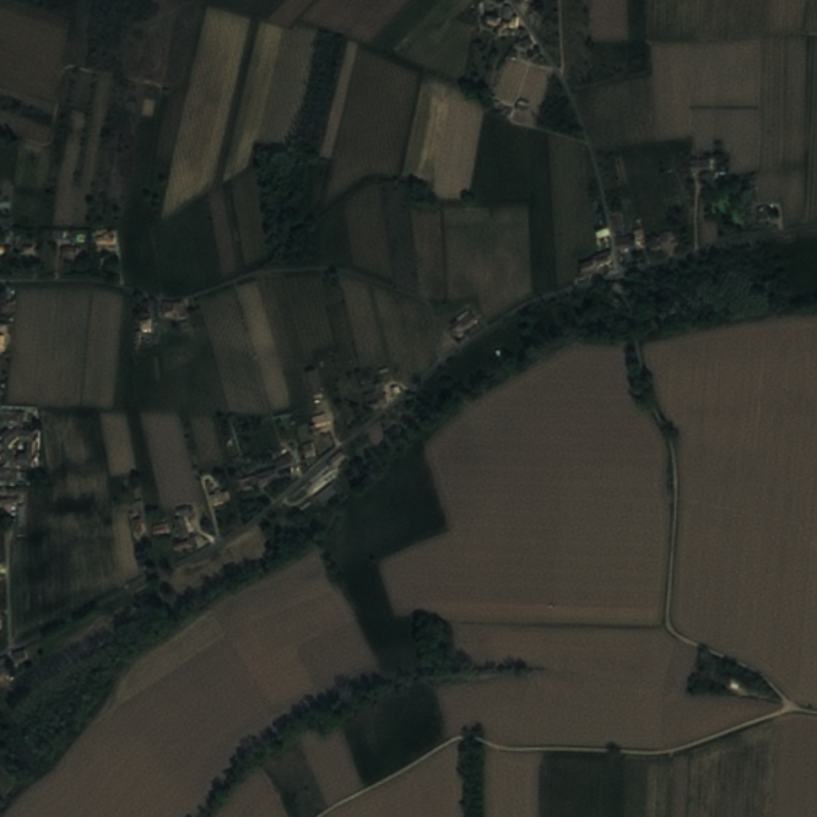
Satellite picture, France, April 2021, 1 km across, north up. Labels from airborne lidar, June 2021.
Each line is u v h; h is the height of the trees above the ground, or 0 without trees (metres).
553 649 0
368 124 0
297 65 0
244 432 8
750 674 11
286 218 14
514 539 0
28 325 0
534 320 15
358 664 0
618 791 0
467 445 0
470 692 0
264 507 7
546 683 0
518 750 0
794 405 0
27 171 0
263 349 0
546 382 0
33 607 0
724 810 0
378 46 0
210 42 0
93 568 0
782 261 12
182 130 0
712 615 0
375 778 0
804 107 0
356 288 0
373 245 0
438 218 0
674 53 0
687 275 10
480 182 0
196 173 0
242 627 0
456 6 0
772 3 0
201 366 0
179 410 0
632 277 10
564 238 0
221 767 0
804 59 0
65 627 12
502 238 0
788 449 0
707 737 0
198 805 0
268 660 0
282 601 0
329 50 13
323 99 9
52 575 0
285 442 0
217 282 0
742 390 0
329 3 0
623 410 0
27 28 0
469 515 0
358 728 0
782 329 0
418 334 0
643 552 0
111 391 0
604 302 11
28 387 0
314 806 0
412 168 0
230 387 0
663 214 0
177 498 0
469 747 11
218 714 0
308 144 9
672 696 0
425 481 0
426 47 0
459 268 0
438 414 24
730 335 0
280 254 9
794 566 0
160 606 21
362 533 0
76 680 32
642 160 0
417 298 0
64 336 0
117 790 0
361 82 0
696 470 0
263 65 0
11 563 0
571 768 0
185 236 0
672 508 0
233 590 16
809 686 0
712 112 0
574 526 0
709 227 0
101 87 0
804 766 0
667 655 0
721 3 0
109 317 0
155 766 0
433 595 0
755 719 0
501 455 0
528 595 0
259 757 25
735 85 0
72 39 0
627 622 0
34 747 14
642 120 0
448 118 0
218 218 0
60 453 0
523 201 0
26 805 0
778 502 0
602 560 0
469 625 0
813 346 0
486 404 0
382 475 18
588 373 0
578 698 0
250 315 0
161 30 0
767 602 0
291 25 0
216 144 0
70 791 0
